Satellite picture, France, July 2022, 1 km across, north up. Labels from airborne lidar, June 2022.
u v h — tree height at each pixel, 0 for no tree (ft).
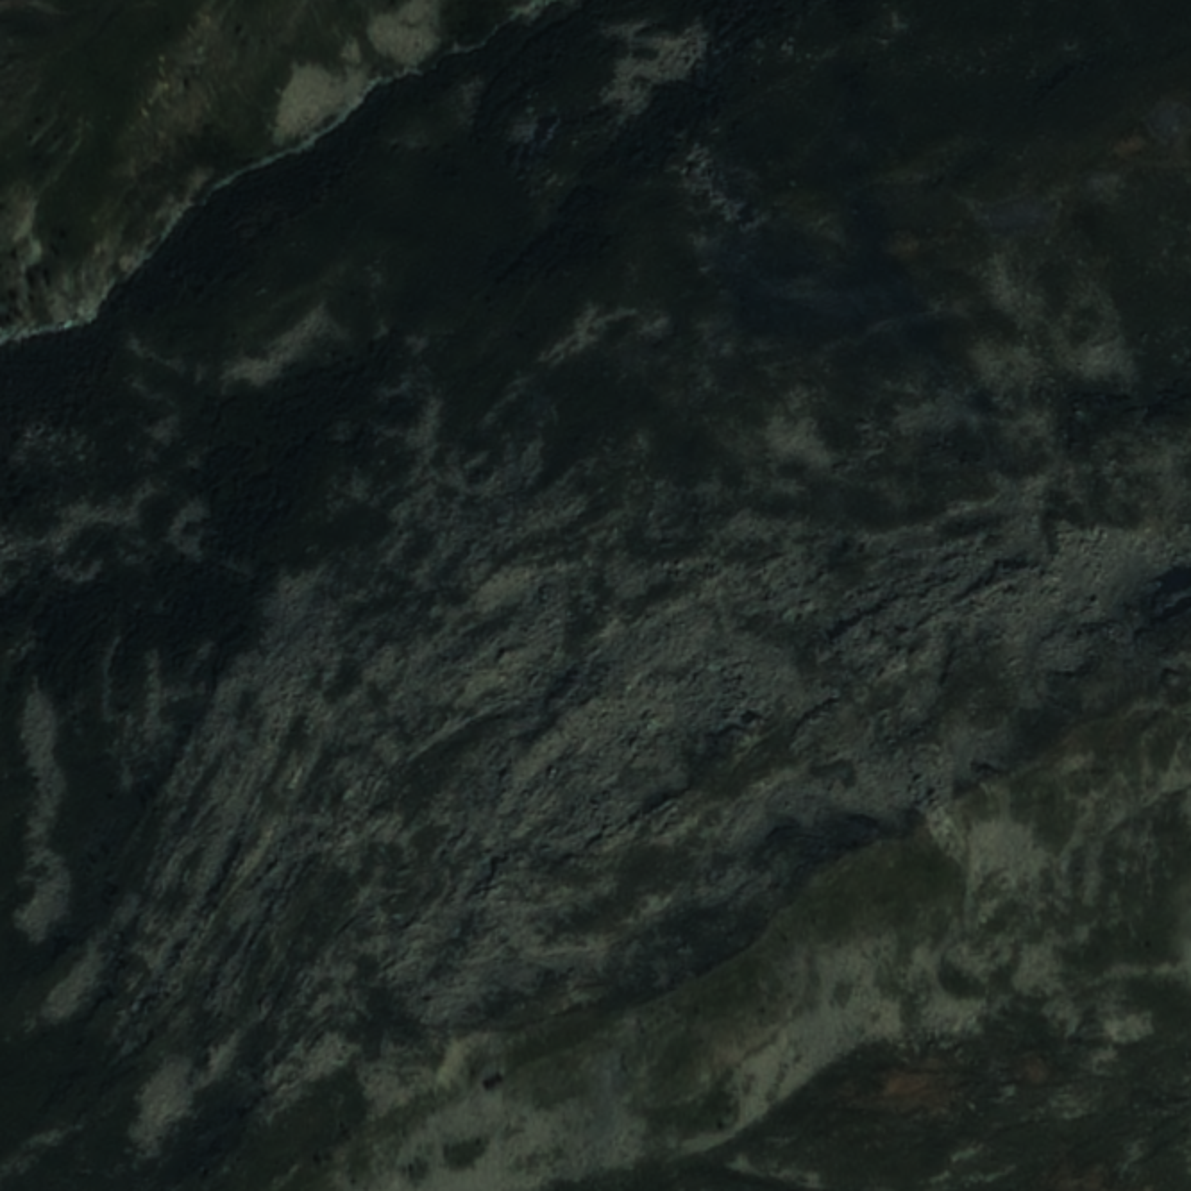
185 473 0
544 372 0
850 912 0
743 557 0
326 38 0
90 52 0
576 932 0
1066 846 0
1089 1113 0
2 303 46
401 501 0
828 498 0
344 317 0
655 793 0
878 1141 0
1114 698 0
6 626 23
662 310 0
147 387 0
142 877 0
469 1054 0
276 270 0
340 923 0
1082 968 0
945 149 0
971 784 0
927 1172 0
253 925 0
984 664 0
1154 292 0
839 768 0
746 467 0
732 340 0
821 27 0
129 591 0
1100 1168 0
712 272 0
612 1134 0
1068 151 0
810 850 0
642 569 0
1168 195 0
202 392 0
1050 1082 0
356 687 0
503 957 0
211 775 0
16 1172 0
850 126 0
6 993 0
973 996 0
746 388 0
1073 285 0
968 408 0
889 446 0
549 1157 0
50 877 0
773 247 0
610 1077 0
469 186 0
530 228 0
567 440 0
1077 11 0
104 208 0
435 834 0
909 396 0
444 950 0
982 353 0
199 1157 0
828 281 0
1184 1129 0
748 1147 0
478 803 0
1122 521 0
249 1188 0
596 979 0
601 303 0
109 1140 0
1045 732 0
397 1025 0
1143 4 0
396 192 0
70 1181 0
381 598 0
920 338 0
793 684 0
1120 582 0
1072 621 0
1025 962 0
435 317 0
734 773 0
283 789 0
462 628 0
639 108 0
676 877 0
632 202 0
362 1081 0
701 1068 0
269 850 0
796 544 0
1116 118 0
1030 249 0
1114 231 0
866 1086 0
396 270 0
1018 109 0
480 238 0
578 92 0
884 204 0
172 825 0
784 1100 0
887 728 0
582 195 19
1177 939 0
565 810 0
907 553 0
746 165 0
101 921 0
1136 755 0
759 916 0
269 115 0
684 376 0
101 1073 0
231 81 0
